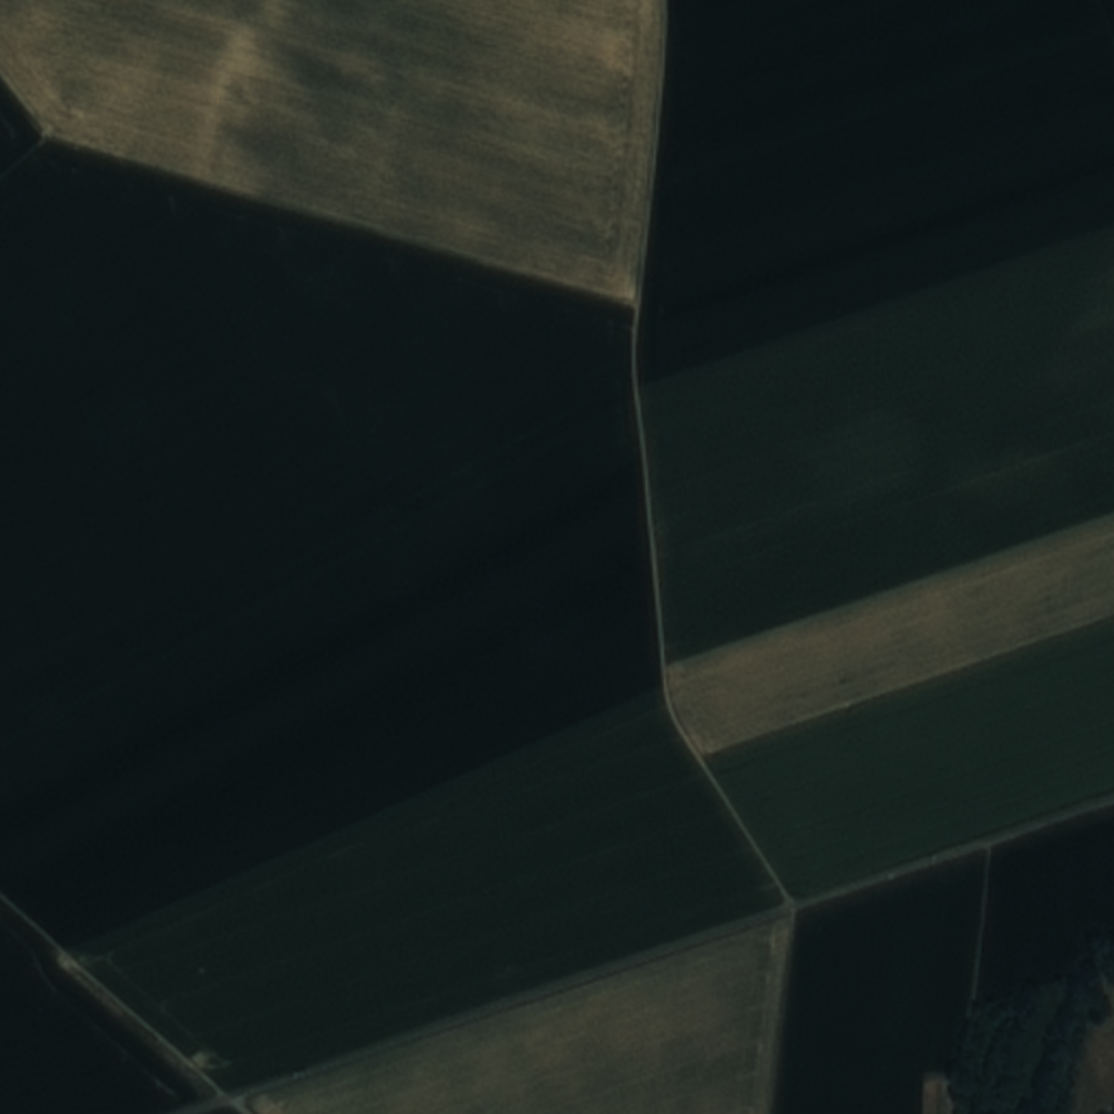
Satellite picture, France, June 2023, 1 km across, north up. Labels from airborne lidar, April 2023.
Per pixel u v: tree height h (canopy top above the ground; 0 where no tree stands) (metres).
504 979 0
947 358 0
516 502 0
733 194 0
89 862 0
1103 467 0
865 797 0
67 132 0
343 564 0
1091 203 0
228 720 0
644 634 0
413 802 0
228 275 0
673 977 0
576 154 0
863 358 0
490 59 0
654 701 0
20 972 0
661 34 0
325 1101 0
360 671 0
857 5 0
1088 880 0
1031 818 0
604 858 0
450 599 0
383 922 0
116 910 0
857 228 0
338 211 0
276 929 0
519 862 0
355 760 0
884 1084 0
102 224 0
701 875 0
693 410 0
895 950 0
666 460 0
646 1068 0
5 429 0
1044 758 0
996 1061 11
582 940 0
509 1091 0
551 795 0
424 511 0
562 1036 0
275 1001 0
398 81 0
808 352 0
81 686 0
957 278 0
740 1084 0
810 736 0
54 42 0
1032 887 0
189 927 0
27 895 0
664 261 0
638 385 0
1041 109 0
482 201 0
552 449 0
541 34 0
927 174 0
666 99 0
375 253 0
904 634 0
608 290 0
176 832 0
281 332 0
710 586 0
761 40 0
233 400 0
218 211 0
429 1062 0
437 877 0
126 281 0
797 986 0
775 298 0
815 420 0
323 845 0
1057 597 0
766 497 0
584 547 0
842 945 0
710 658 0
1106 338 0
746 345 0
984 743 0
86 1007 0
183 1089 0
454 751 0
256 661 0
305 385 0
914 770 0
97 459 0
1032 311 0
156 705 0
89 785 0
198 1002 0
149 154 0
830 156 0
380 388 0
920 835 0
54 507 0
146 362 0
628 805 0
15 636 0
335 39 0
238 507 0
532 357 0
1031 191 0
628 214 0
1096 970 18
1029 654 0
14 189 0
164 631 0
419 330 0
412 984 0
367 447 0
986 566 0
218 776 0
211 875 0
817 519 0
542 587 0
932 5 0
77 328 0
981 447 0
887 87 0
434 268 0
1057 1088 19
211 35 0
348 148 0
